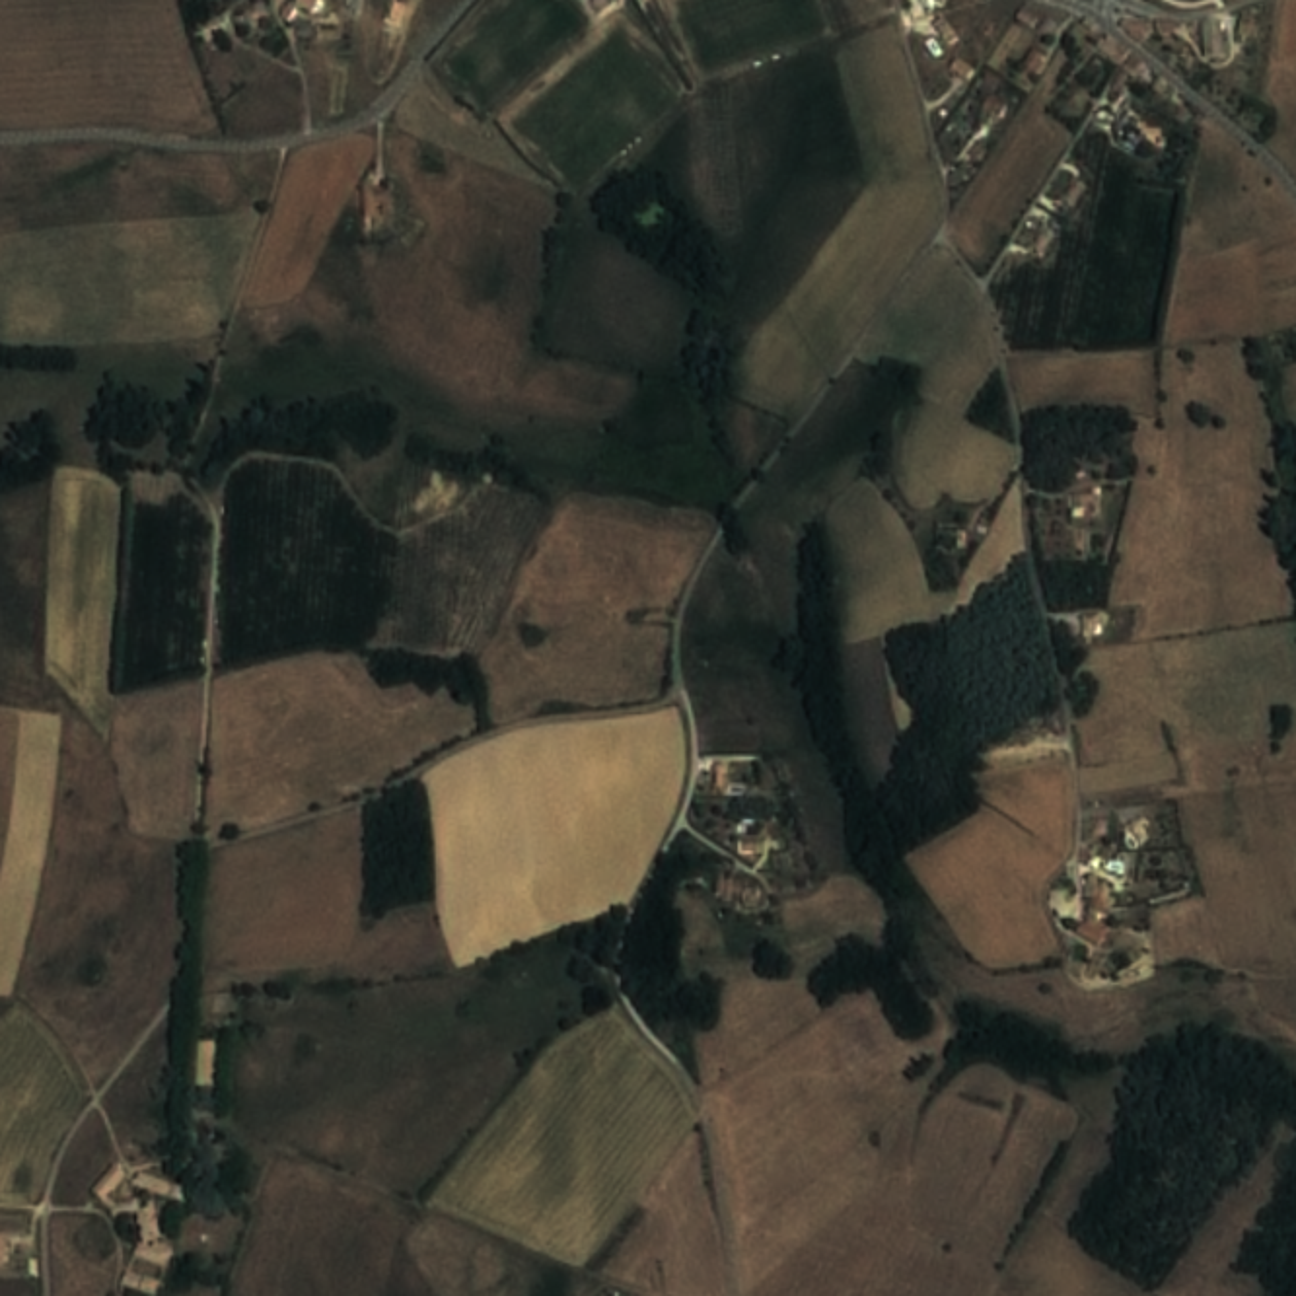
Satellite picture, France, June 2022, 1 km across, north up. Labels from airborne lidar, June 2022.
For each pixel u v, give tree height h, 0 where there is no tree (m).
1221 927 0
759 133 0
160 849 0
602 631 0
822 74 0
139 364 0
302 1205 0
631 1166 0
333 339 0
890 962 12
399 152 0
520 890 0
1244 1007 0
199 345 0
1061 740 0
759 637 0
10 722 0
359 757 0
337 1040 0
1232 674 0
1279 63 0
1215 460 0
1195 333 0
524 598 0
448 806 0
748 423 0
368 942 0
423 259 0
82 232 0
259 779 0
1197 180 0
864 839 9
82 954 0
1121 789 0
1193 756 0
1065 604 9
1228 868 0
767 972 22
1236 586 0
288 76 0
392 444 6
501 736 0
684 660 0
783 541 0
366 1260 0
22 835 0
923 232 0
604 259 0
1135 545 0
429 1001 0
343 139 0
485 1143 0
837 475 0
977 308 0
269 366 0
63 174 0
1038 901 0
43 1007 0
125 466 13
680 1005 11
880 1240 0
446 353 0
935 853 0
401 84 0
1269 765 0
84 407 0
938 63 0
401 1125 0
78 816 0
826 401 0
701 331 22
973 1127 0
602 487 0
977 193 0
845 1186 0
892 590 0
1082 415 10
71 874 0
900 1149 0
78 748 0
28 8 0
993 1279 0
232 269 0
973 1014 15
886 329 0
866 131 0
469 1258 0
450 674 9
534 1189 0
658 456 0
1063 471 7
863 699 0
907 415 0
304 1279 0
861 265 0
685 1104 0
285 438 7
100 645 0
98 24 0
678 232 15
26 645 0
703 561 0
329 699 0
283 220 0
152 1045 0
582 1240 0
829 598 18
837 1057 0
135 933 0
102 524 0
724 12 0
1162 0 0
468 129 0
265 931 0
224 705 0
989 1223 0
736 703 0
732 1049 0
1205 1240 0
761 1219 0
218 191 0
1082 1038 0
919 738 8
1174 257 12
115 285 0
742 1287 0
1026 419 8
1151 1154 10
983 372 0
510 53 0
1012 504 0
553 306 0
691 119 0
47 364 28
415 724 0
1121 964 9
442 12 0
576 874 0
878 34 0
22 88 0
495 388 0
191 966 16
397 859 7
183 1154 18
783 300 0
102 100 0
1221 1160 8
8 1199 0
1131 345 11
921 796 10
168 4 0
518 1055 7
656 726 0
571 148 0
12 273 0
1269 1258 8
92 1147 0
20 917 0
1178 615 0
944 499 0
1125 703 0
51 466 9
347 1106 0
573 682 0
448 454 8
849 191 0
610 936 23
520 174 0
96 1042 0
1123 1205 10
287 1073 0
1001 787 0
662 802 0
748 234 0
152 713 0
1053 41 9
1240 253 0
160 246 0
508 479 9
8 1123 0
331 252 0
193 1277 11
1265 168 0
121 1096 0
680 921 8
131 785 0
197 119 0
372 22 0
